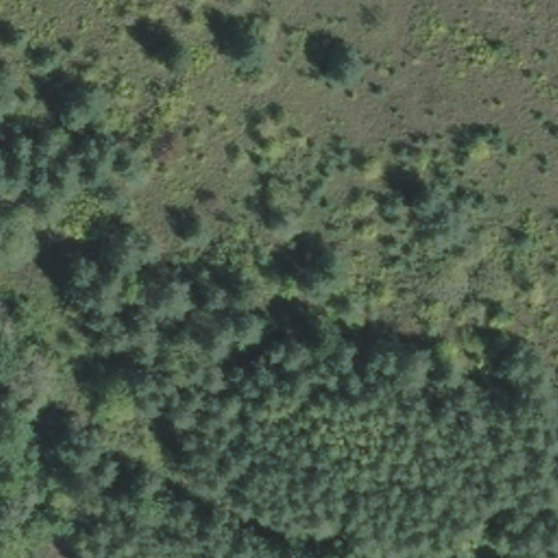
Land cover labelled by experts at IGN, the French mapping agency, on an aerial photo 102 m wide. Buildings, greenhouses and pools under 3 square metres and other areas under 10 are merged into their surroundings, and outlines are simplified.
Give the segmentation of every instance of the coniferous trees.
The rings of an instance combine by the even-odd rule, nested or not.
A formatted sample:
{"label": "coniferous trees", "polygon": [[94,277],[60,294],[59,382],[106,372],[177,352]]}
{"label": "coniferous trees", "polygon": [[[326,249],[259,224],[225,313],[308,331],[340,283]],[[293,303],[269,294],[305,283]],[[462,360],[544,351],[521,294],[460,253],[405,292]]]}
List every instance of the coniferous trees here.
{"label": "coniferous trees", "polygon": [[248,52],[251,52],[251,48],[253,48],[253,46],[264,46],[264,41],[266,41],[266,39],[268,39],[268,41],[277,41],[277,33],[279,33],[279,31],[283,33],[283,35],[292,35],[292,33],[303,33],[305,37],[307,37],[307,41],[305,41],[305,57],[307,57],[307,61],[310,61],[310,65],[307,65],[307,68],[299,68],[299,70],[296,70],[296,74],[299,74],[299,76],[303,76],[303,78],[323,78],[323,76],[331,76],[331,78],[336,78],[338,83],[340,83],[340,85],[342,85],[342,89],[344,89],[344,96],[353,96],[353,89],[351,89],[351,87],[353,87],[353,85],[357,85],[360,81],[362,81],[362,78],[364,78],[364,76],[366,76],[366,68],[364,68],[364,65],[371,65],[371,68],[375,68],[375,70],[388,70],[388,74],[395,74],[395,68],[390,65],[390,63],[388,63],[388,61],[377,61],[377,59],[373,59],[373,57],[368,57],[366,52],[364,52],[364,50],[362,50],[362,48],[355,48],[355,46],[349,46],[349,44],[344,44],[342,39],[340,39],[340,37],[333,37],[331,33],[325,33],[325,31],[316,31],[316,33],[312,33],[310,28],[307,28],[307,26],[301,26],[299,22],[294,22],[294,24],[281,24],[281,26],[279,26],[277,22],[272,22],[272,20],[270,20],[270,13],[268,13],[268,11],[248,11],[248,13],[244,13],[244,15],[227,15],[227,13],[220,13],[220,11],[216,11],[216,9],[211,9],[211,7],[205,7],[205,20],[207,20],[207,28],[211,31],[211,35],[214,35],[214,48],[218,50],[218,52],[220,52],[220,54],[225,54],[225,57],[231,57],[231,59],[242,59],[242,57],[246,57]]}
{"label": "coniferous trees", "polygon": [[172,33],[166,28],[161,20],[140,17],[133,26],[129,26],[129,35],[142,46],[148,59],[163,63],[168,70],[174,68],[177,57],[181,54],[181,44],[172,37]]}
{"label": "coniferous trees", "polygon": [[183,22],[187,22],[187,24],[190,24],[190,22],[192,22],[192,13],[194,13],[194,11],[201,11],[201,9],[205,7],[205,4],[207,4],[207,0],[194,0],[194,2],[192,2],[192,9],[183,9],[183,7],[179,7],[179,9],[177,9],[177,13],[179,13],[179,17],[181,17]]}
{"label": "coniferous trees", "polygon": [[9,22],[0,20],[0,44],[15,44],[20,28],[13,28]]}
{"label": "coniferous trees", "polygon": [[26,92],[20,87],[11,87],[11,83],[7,81],[7,68],[0,72],[0,558],[558,558],[558,205],[545,209],[543,214],[532,214],[530,209],[523,209],[519,214],[517,225],[508,229],[508,235],[501,240],[490,238],[484,231],[484,225],[480,220],[495,214],[495,203],[506,205],[508,198],[504,194],[495,194],[493,203],[484,203],[480,181],[475,181],[475,177],[482,172],[480,163],[488,159],[488,155],[501,155],[506,150],[508,155],[517,153],[510,135],[499,131],[499,126],[495,124],[462,124],[449,126],[440,133],[410,133],[403,142],[392,142],[392,161],[384,168],[377,161],[368,163],[366,155],[360,148],[342,146],[340,135],[331,135],[331,140],[323,146],[312,140],[301,140],[299,129],[288,126],[290,137],[281,144],[270,146],[268,140],[259,133],[259,124],[277,120],[281,116],[281,107],[277,102],[270,102],[264,109],[246,109],[246,135],[257,146],[270,148],[270,157],[248,157],[255,177],[253,183],[259,185],[257,194],[244,198],[246,207],[240,214],[216,214],[218,231],[205,251],[168,251],[161,255],[159,262],[153,262],[146,253],[153,244],[150,235],[140,233],[131,222],[124,222],[116,214],[105,214],[102,203],[116,198],[116,194],[122,187],[126,187],[133,194],[137,190],[144,190],[155,179],[155,159],[170,150],[174,140],[183,140],[198,133],[194,124],[177,124],[194,100],[194,89],[190,85],[183,85],[183,76],[177,76],[174,81],[161,83],[150,81],[144,92],[140,92],[133,83],[126,83],[126,78],[122,78],[120,68],[111,68],[111,83],[89,83],[85,81],[85,72],[96,68],[96,63],[100,61],[100,52],[96,48],[87,48],[76,61],[65,65],[63,70],[54,70],[46,76],[31,78],[37,92],[37,100],[46,105],[46,116],[31,118],[13,116],[17,102],[26,100]]}
{"label": "coniferous trees", "polygon": [[198,218],[190,207],[168,205],[166,218],[174,235],[192,238],[198,233]]}

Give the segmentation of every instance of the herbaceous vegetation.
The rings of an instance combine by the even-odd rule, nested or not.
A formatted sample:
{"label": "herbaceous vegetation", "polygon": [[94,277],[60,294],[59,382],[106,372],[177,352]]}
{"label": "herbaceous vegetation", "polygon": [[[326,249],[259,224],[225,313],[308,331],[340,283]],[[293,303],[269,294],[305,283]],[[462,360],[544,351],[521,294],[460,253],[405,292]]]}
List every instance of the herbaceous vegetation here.
{"label": "herbaceous vegetation", "polygon": [[[183,85],[190,85],[194,89],[194,100],[177,124],[194,124],[198,133],[183,140],[174,140],[170,150],[155,159],[155,179],[144,190],[137,190],[133,194],[126,187],[122,187],[116,194],[116,198],[102,203],[105,214],[116,214],[124,222],[131,222],[140,233],[150,235],[153,244],[146,253],[153,262],[159,262],[161,255],[168,251],[205,251],[218,231],[216,214],[240,214],[246,207],[244,198],[257,194],[259,185],[253,183],[255,177],[248,157],[270,157],[270,148],[257,146],[246,135],[246,109],[264,109],[270,102],[277,102],[281,107],[281,116],[277,120],[259,124],[259,133],[268,140],[270,146],[281,144],[290,137],[288,126],[299,129],[301,140],[312,140],[323,146],[331,140],[331,135],[340,135],[342,146],[360,148],[366,155],[368,163],[377,161],[384,168],[392,161],[392,142],[403,142],[410,133],[440,133],[449,126],[462,124],[495,124],[499,126],[499,131],[510,135],[517,153],[508,155],[506,150],[501,155],[488,155],[488,159],[480,163],[482,172],[475,177],[475,181],[480,181],[484,203],[493,203],[495,194],[504,194],[508,198],[506,205],[495,203],[495,214],[480,220],[484,225],[484,231],[490,238],[501,240],[508,235],[508,229],[517,225],[519,214],[523,209],[530,209],[532,214],[543,214],[545,209],[558,205],[558,0],[207,0],[207,4],[205,4],[205,7],[211,7],[211,9],[216,9],[216,11],[220,11],[220,13],[227,13],[227,15],[244,15],[244,13],[248,13],[248,11],[268,11],[268,13],[270,13],[270,20],[272,20],[272,22],[277,22],[279,26],[281,26],[281,24],[294,24],[294,22],[299,22],[301,26],[307,26],[307,28],[310,28],[312,33],[316,33],[316,31],[325,31],[325,33],[331,33],[333,37],[340,37],[340,39],[342,39],[344,44],[349,44],[349,46],[355,46],[355,48],[362,48],[362,50],[364,50],[364,52],[366,52],[368,57],[373,57],[373,59],[377,59],[377,61],[388,61],[388,63],[390,63],[390,65],[395,68],[395,74],[388,74],[388,70],[375,70],[375,68],[371,68],[371,65],[364,65],[364,68],[366,68],[366,76],[364,76],[364,78],[362,78],[362,81],[360,81],[357,85],[353,85],[353,87],[351,87],[351,89],[353,89],[353,96],[344,96],[344,89],[342,89],[342,85],[340,85],[340,83],[338,83],[336,78],[331,78],[331,76],[323,76],[323,78],[303,78],[303,76],[299,76],[299,74],[296,74],[296,70],[299,70],[299,68],[307,68],[307,65],[310,65],[310,61],[307,61],[307,57],[305,57],[305,41],[307,41],[307,37],[305,37],[303,33],[292,33],[292,35],[283,35],[283,33],[279,31],[279,33],[277,33],[277,41],[268,41],[268,39],[266,39],[266,41],[264,41],[264,46],[253,46],[253,48],[251,48],[251,52],[248,52],[246,57],[242,57],[242,59],[231,59],[231,57],[225,57],[225,54],[220,54],[220,52],[218,52],[218,50],[214,48],[214,35],[211,35],[211,31],[207,28],[207,20],[205,20],[205,7],[201,9],[201,11],[194,11],[194,13],[192,13],[192,22],[190,22],[190,24],[187,24],[187,22],[183,22],[181,17],[179,17],[179,13],[177,13],[177,9],[179,9],[179,7],[183,7],[183,9],[192,9],[192,2],[194,2],[194,0],[0,0],[0,20],[9,22],[13,28],[20,28],[15,44],[0,44],[0,72],[7,68],[7,81],[11,83],[11,87],[20,87],[26,92],[26,100],[17,102],[13,116],[31,118],[46,116],[46,105],[37,100],[37,92],[31,78],[46,76],[54,70],[63,70],[65,65],[76,61],[87,48],[96,48],[100,52],[100,61],[96,63],[96,68],[85,72],[85,81],[89,83],[111,83],[111,68],[120,68],[122,78],[126,78],[126,83],[133,83],[140,92],[144,92],[150,81],[161,83],[174,81],[177,76],[183,76]],[[142,46],[129,35],[129,26],[133,26],[140,17],[161,20],[166,28],[172,33],[172,37],[181,44],[181,54],[177,57],[174,68],[168,70],[163,63],[148,59]],[[190,207],[198,218],[198,233],[192,238],[174,235],[166,218],[168,205]]]}

